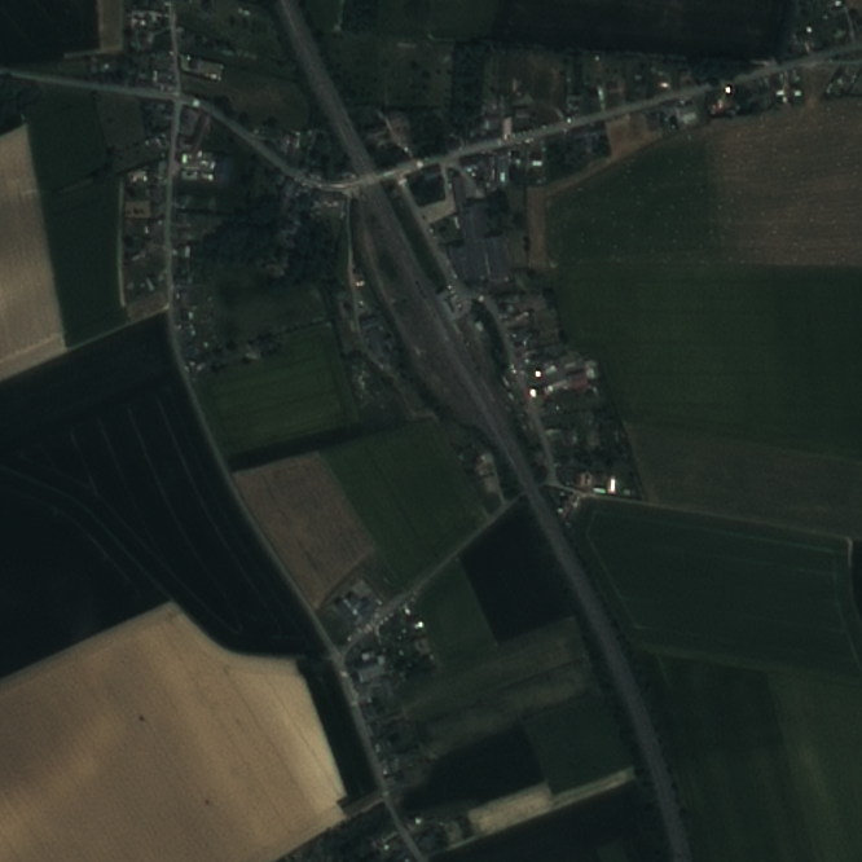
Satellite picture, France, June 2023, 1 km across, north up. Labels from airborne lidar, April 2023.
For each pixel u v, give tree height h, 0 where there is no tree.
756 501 0
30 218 0
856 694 0
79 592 0
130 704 0
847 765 0
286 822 0
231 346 8
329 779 0
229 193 0
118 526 0
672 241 0
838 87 0
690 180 0
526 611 0
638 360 0
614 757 0
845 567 0
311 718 0
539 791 0
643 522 0
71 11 0
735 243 0
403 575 0
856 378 0
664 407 0
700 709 0
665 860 9
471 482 0
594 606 0
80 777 0
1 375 0
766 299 0
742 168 0
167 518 0
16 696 0
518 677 0
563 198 0
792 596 0
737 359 0
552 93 0
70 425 0
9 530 0
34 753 0
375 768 0
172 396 0
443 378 0
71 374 0
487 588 0
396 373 0
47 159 0
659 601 0
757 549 0
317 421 0
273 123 11
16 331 0
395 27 0
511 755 0
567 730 0
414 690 0
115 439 0
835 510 0
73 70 0
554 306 6
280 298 0
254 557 0
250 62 0
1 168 0
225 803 0
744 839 0
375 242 0
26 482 0
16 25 0
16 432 0
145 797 0
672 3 0
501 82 0
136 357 0
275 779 0
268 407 0
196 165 0
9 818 0
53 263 0
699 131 0
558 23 0
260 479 0
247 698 0
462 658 0
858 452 0
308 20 9
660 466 0
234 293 0
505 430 0
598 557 0
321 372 0
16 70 0
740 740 0
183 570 0
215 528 0
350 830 6
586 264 0
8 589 0
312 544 0
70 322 0
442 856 0
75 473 0
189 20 0
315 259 18
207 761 0
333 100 0
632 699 0
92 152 0
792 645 0
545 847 0
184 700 0
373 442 0
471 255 0
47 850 0
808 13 9
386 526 0
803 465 0
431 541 0
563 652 0
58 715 0
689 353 0
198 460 0
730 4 0
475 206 0
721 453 0
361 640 0
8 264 0
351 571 0
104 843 0
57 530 0
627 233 0
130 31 10
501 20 0
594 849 0
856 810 0
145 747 0
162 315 0
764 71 0
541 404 0
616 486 0
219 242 14
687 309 0
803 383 0
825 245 0
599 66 0
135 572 0
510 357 0
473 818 0
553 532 0
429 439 0
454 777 0
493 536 0
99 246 0
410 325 0
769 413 0
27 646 0
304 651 0
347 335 0
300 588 0
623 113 0
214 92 0
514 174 14
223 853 0
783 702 0
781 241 0
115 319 0
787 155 0
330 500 0
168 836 0
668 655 0
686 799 0
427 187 12
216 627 0
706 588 0
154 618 0
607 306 0
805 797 0
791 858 0
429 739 0
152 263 0
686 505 0
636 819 0
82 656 0
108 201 0
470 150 0
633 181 0
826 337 0
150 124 9
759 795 0
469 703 0
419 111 6
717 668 0
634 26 0
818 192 0
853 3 0
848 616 0
